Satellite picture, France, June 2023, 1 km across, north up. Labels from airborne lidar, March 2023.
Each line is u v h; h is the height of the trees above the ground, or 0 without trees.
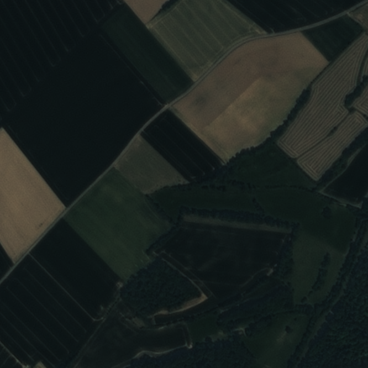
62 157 0
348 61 0
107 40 0
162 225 0
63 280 0
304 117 0
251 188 24
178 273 19
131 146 0
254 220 17
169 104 0
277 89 0
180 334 0
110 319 0
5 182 0
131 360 0
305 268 0
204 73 0
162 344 0
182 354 33
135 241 0
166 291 20
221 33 0
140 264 0
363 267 27
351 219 0
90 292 0
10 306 0
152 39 0
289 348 0
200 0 0
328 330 27
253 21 0
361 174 0
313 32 0
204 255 0
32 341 0
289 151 0
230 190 0
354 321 28
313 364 28
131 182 0
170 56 0
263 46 0
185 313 0
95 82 0
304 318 0
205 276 0
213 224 0
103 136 0
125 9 0
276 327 0
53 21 0
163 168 0
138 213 0
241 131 0
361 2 0
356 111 0
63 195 0
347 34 0
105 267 0
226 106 0
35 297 0
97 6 0
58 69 0
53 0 0
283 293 21
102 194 0
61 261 0
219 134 0
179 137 0
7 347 0
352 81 0
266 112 0
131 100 0
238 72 0
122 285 0
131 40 0
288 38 0
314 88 0
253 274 0
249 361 28
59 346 0
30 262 0
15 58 0
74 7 0
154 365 28
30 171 0
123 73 0
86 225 0
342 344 16
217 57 0
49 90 0
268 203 0
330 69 0
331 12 0
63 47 0
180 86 0
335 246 0
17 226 0
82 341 0
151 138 0
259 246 0
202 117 0
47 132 0
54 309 0
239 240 0
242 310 21
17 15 0
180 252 0
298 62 0
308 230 0
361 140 18
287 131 0
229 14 0
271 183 0
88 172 0
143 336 0
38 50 0
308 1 0
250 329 13
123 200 0
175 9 0
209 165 0
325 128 0
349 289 12
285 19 0
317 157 0
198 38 0
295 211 0
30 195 0
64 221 0
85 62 0
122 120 0
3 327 0
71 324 0
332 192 0
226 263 0
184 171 0
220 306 13
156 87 0
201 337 0
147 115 0
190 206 0
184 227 0
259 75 0
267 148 0
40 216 0
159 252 0
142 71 0
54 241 0
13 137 0
